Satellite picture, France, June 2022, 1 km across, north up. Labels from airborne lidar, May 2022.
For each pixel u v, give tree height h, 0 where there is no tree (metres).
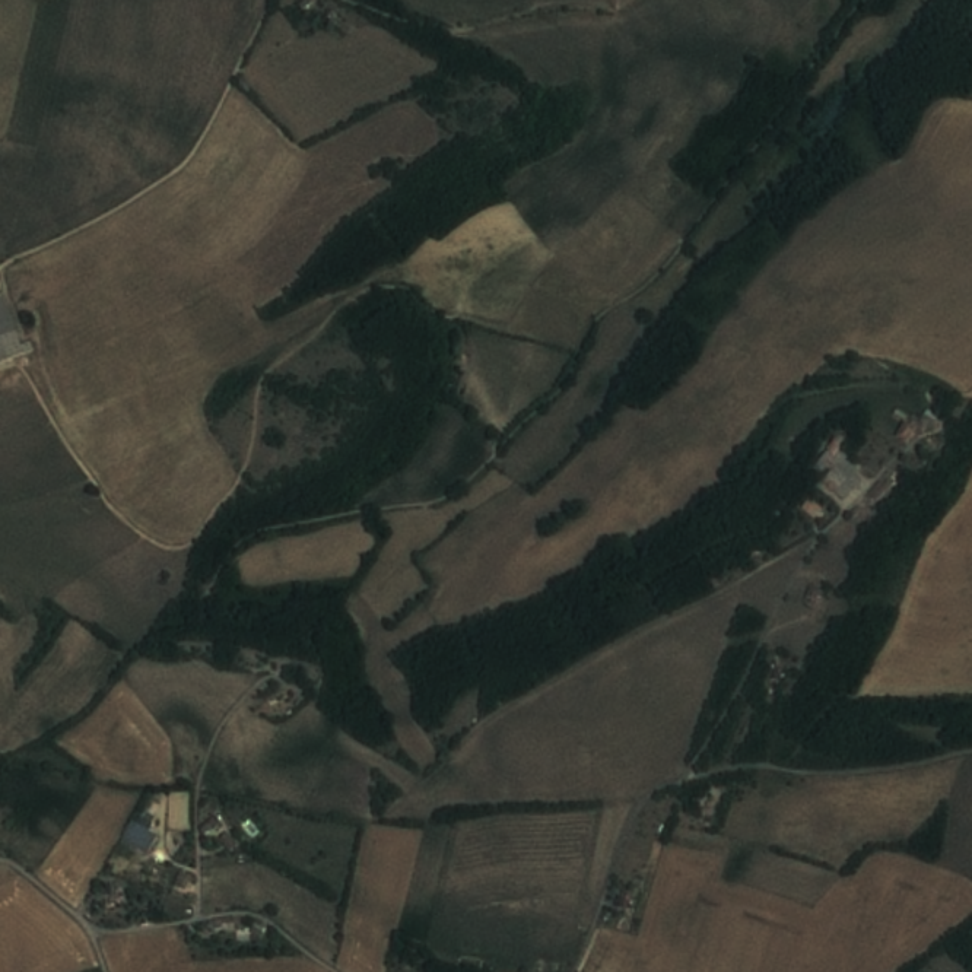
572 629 6
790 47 0
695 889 0
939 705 11
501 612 12
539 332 0
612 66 0
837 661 18
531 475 0
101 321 0
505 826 0
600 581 13
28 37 0
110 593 0
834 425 15
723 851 0
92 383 0
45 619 6
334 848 0
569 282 0
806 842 0
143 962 0
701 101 0
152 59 0
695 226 8
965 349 0
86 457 0
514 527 0
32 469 0
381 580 0
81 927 0
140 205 0
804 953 0
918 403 0
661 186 0
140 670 0
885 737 14
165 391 0
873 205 0
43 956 0
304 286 14
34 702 0
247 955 8
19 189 0
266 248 0
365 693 14
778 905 0
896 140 18
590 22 0
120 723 0
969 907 0
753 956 0
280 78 0
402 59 0
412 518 0
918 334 0
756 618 8
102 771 0
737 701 7
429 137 0
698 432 0
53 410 0
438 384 14
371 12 8
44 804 0
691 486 0
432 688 7
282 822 0
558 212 0
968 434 18
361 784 0
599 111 0
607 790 0
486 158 7
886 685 0
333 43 0
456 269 0
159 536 0
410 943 11
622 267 0
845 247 0
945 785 0
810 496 11
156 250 0
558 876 0
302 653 14
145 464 0
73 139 0
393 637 0
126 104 0
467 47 13
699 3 0
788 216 18
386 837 0
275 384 10
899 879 0
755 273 0
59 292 0
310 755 0
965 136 0
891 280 0
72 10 0
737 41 0
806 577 0
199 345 0
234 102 0
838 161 18
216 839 10
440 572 0
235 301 0
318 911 0
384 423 13
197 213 0
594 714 0
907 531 13
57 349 0
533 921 0
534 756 0
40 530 0
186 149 0
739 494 10
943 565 0
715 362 0
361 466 15
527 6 0
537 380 0
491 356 0
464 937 0
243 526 23
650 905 0
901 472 10
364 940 0
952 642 0
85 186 0
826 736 12
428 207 10
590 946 0
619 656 0
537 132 8
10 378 0
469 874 0
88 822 0
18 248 0
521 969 9
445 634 13
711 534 9
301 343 0
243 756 0
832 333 0
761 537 8
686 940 0
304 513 19
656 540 16
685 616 0
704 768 8
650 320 16
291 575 0
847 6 12
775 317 0
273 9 9
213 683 0
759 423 6
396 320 14
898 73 18
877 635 20
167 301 0
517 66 10
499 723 0
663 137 0
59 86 0
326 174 0
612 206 0
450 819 11
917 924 0
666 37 0
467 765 0
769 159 0
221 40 0
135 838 0
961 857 0
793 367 0
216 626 16
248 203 0
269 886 0
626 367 18
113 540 0
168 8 0
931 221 0
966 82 12
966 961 9
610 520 0
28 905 0
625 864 0
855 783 0
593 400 0
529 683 7
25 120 0
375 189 0
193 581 11
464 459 0
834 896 0
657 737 0
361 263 20
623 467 0
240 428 0
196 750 0
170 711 0
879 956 0
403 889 0
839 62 0
